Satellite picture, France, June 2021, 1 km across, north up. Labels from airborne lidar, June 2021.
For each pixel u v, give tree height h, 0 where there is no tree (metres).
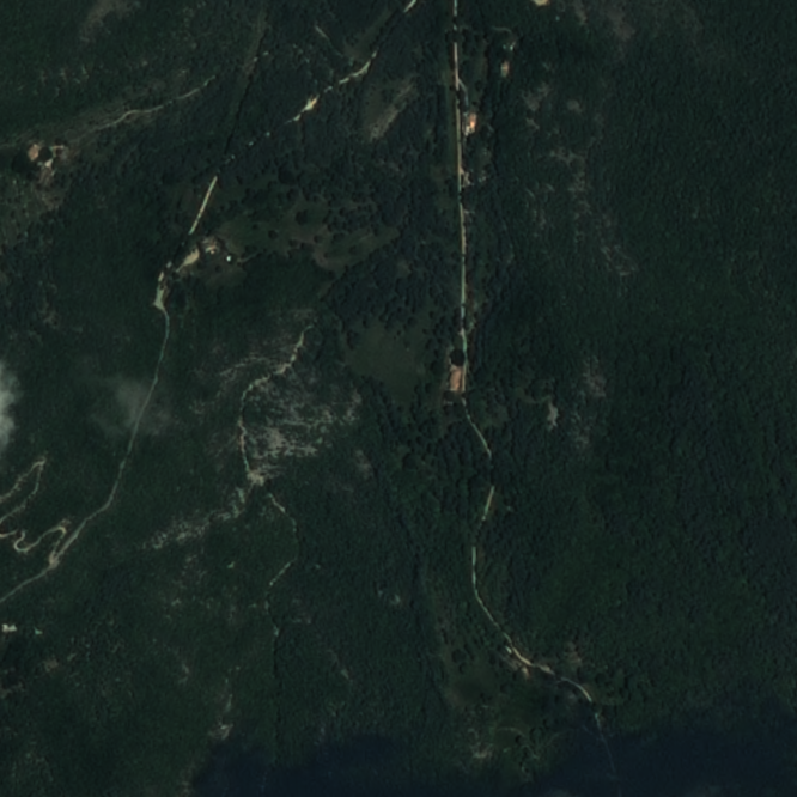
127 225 7
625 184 5
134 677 6
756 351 8
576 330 9
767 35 7
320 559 9
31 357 6
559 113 6
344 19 12
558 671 8
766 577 12
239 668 6
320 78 11
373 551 6
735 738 11
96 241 8
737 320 8
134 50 6
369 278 13
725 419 11
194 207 0
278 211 8
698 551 12
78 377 6
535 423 7
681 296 9
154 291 7
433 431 11
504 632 9
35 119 15
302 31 12
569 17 6
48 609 6
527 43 12
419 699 9
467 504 8
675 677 10
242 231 0
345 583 8
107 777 13
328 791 8
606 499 11
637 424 8
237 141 16
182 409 8
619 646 8
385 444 13
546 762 8
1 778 14
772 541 11
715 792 11
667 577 9
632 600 11
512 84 8
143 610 8
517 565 9
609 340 11
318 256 0
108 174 7
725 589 9
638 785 7
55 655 7
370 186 7
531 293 9
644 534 9
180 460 6
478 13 12
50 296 9
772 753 10
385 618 7
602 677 16
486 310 9
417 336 0
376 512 9
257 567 8
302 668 7
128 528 7
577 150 6
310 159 11
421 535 6
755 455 12
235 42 6
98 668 9
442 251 11
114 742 14
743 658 12
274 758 7
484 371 11
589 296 7
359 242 0
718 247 9
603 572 10
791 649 13
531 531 10
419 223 15
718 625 8
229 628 6
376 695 6
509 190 8
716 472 13
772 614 11
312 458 6
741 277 7
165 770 7
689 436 11
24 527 6
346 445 7
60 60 6
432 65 11
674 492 10
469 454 13
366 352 0
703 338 11
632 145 6
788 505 11
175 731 9
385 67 10
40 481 5
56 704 9
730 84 6
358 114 8
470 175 8
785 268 7
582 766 10
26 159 12
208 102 11
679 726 9
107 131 8
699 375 12
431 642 8
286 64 7
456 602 6
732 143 8
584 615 9
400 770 6
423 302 10
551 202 5
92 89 7
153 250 9
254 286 7
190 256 0
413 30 11
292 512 10
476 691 0
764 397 9
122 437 7
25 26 8
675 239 7
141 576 6
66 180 8
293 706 9
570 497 8
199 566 7
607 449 9
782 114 8
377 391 10
